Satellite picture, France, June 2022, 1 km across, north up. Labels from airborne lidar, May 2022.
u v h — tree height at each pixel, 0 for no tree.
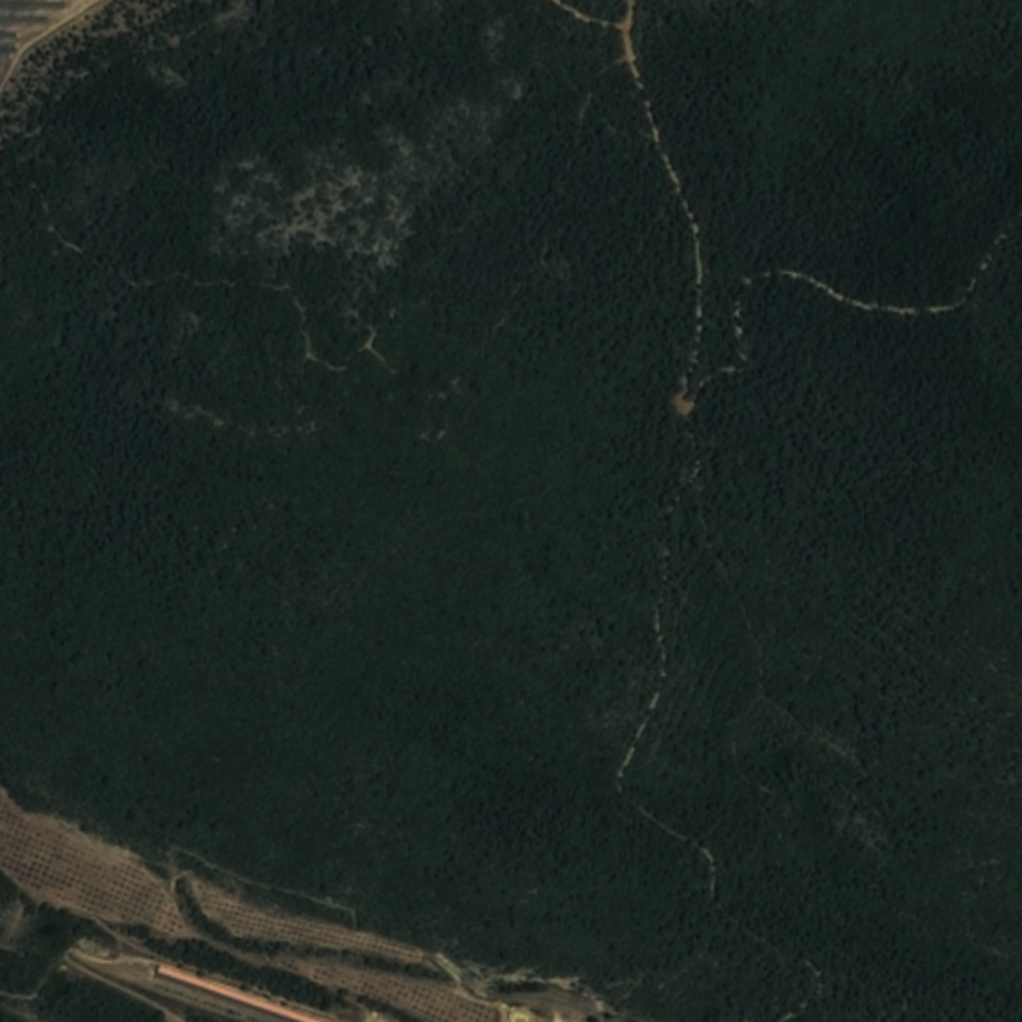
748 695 7
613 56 8
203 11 12
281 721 7
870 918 10
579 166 14
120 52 9
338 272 6
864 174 13
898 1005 11
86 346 11
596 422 6
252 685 5
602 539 7
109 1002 8
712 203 10
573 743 7
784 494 17
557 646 7
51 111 12
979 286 8
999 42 15
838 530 8
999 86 11
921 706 7
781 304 15
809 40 6
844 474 15
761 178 7
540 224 17
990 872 7
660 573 14
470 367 6
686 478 7
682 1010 6
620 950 13
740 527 7
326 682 6
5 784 7
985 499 7
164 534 7
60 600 6
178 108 7
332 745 5
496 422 6
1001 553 6
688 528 10
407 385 9
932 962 7
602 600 8
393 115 12
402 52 12
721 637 9
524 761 9
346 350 5
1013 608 7
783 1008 8
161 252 12
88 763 7
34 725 6
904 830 7
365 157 7
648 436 13
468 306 13
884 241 16
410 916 6
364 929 9
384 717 13
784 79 8
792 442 7
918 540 8
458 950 7
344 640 6
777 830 6
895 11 6
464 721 8
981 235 17
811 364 14
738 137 18
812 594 8
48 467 6
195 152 8
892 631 15
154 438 13
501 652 6
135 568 10
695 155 12
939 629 6
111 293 11
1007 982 5
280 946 7
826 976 14
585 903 11
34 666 7
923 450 17
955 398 17
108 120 12
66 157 7
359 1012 0
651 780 7
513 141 13
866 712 6
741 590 8
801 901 16
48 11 0
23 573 6
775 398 15
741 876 11
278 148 8
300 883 7
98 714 6
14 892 8
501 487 7
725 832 8
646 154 11
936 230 19
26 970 7
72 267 10
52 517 15
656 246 14
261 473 6
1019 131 12
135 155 11
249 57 6
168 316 9
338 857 6
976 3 7
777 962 16
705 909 13
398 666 6
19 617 6
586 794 7
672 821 8
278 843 6
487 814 14
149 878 0
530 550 6
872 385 10
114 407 13
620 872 7
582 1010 0
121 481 6
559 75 7
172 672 6
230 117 7
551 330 7
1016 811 7
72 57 8
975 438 10
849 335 16
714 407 17
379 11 7
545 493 9
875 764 6
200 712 6
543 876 6
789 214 18
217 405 6
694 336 17
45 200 7
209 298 12
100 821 6
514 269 15
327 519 5
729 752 5
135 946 0
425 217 8
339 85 14
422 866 6
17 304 6
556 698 7
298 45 6
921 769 7
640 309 15
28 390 7
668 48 9
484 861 5
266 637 10
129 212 7
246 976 7
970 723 6
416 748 6
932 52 7
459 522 6
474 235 6
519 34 7
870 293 19
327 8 8
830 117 14
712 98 14
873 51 7
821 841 10
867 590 7
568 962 6
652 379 15
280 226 7
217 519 6
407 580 6
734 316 16
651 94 14
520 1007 0
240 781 7
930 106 9
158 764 6
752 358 12
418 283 12
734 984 7
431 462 6
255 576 6
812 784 13
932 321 13
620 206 6
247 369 6
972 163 20
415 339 7
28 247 7
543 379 9
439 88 12
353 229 8
